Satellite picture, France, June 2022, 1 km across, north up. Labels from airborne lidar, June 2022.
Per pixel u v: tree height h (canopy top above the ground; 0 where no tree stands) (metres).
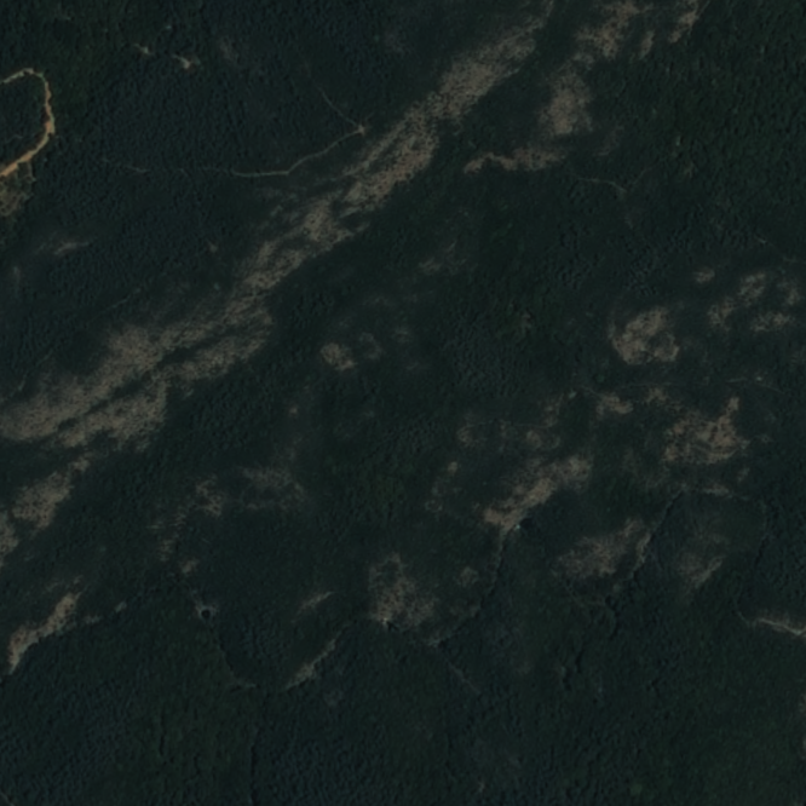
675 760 12
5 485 6
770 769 10
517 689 5
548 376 6
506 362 16
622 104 12
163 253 8
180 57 12
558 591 10
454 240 6
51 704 7
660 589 6
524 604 6
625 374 5
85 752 15
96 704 7
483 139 5
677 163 12
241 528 8
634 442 7
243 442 18
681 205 8
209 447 7
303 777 13
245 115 10
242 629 18
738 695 10
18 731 7
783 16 15
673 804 10
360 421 7
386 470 17
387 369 11
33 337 8
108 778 5
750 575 7
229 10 14
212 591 7
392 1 7
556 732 7
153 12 14
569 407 7
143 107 12
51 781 13
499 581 8
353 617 7
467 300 12
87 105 13
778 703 6
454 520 7
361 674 9
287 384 15
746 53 13
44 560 10
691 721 12
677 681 13
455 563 10
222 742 17
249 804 24
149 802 18
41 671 7
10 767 14
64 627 8
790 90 12
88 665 12
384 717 9
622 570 9
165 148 14
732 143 11
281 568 10
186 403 6
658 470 9
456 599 6
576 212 6
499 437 8
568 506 7
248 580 7
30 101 11
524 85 9
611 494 12
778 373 11
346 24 15
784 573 12
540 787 15
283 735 8
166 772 14
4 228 12
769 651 9
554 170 6
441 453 10
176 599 10
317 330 8
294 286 7
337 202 5
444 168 14
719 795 7
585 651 19
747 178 7
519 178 6
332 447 7
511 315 15
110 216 11
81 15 13
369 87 14
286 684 9
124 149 14
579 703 17
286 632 6
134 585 13
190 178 13
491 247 8
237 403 18
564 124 0
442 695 14
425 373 7
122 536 11
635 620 18
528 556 9
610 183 8
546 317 16
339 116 11
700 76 14
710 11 8
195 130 12
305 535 7
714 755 6
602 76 12
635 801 14
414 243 6
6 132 9
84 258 10
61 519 6
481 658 7
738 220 9
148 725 10
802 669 6
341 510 7
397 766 9
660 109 11
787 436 6
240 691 21
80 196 14
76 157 8
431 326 8
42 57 12
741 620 16
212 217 10
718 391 6
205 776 18
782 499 15
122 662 6
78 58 13
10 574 7
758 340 5
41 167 10
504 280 13
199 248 9
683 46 13
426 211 11
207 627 10
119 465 10
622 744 15
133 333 0
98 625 12
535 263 8
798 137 11
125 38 13
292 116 7
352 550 7
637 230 8
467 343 16
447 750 16
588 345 6
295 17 6
